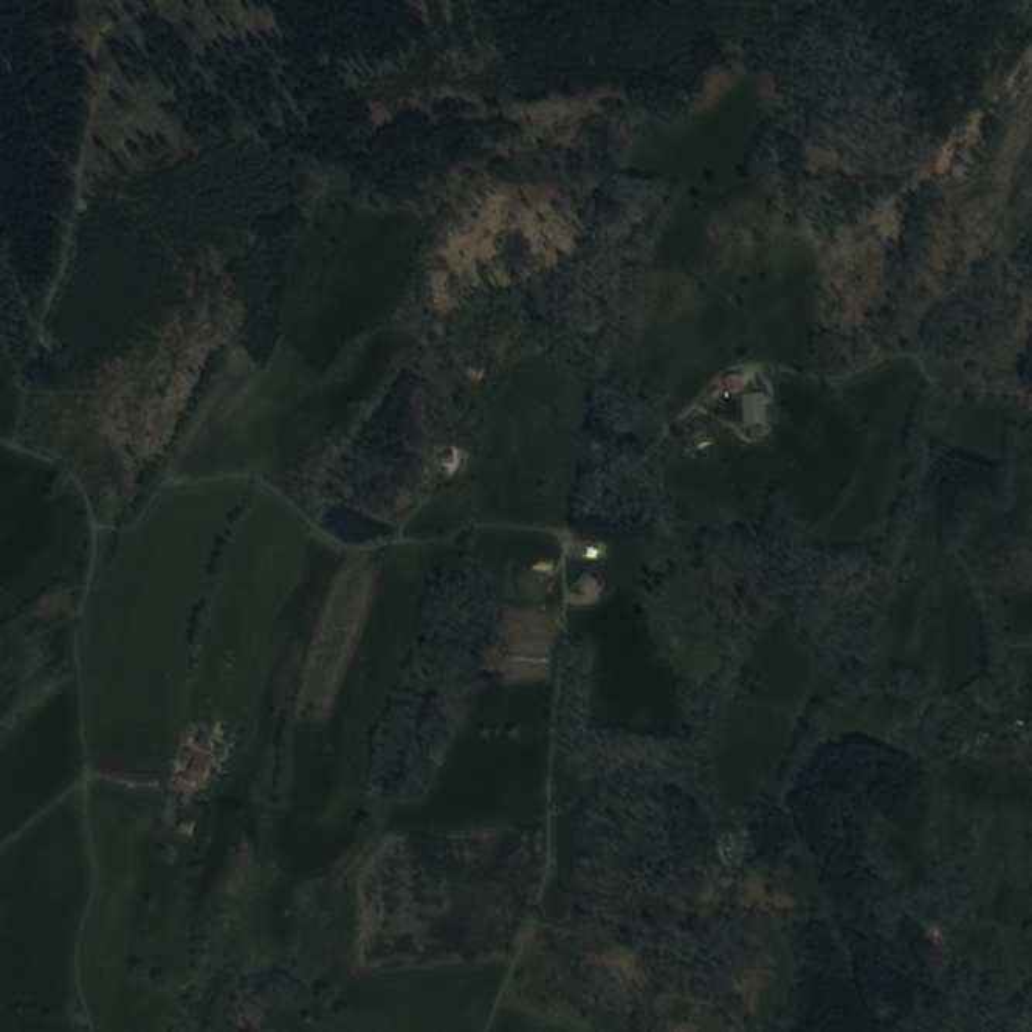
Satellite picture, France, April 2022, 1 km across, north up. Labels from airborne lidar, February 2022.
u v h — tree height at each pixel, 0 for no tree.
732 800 0
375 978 0
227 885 0
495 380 10
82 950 0
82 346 6
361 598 0
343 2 20
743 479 0
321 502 14
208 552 0
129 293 6
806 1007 16
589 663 28
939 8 18
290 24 20
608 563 0
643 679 0
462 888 0
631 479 17
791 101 20
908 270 18
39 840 0
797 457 0
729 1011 20
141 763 0
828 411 0
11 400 0
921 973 20
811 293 0
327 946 0
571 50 14
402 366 0
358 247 0
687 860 42
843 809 25
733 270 0
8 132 22
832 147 23
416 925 0
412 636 0
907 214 22
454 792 0
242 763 9
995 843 0
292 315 0
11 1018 0
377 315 0
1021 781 0
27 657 0
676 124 20
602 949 0
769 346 0
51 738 0
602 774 26
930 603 0
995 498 13
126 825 0
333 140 23
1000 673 26
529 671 0
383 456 13
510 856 0
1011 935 11
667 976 29
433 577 0
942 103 16
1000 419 0
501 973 0
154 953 0
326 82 19
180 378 0
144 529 0
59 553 0
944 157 0
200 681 0
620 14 14
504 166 19
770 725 0
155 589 0
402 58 19
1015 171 0
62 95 22
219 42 0
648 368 0
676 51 14
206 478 0
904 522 24
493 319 8
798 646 0
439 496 9
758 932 25
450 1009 0
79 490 13
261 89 26
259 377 0
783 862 17
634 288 23
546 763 0
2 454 0
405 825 0
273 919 0
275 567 0
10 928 0
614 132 13
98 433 0
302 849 0
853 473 0
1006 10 24
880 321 19
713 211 0
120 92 0
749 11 10
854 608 10
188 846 0
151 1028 0
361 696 0
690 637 0
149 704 0
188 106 25
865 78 22
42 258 21
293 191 16
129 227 6
